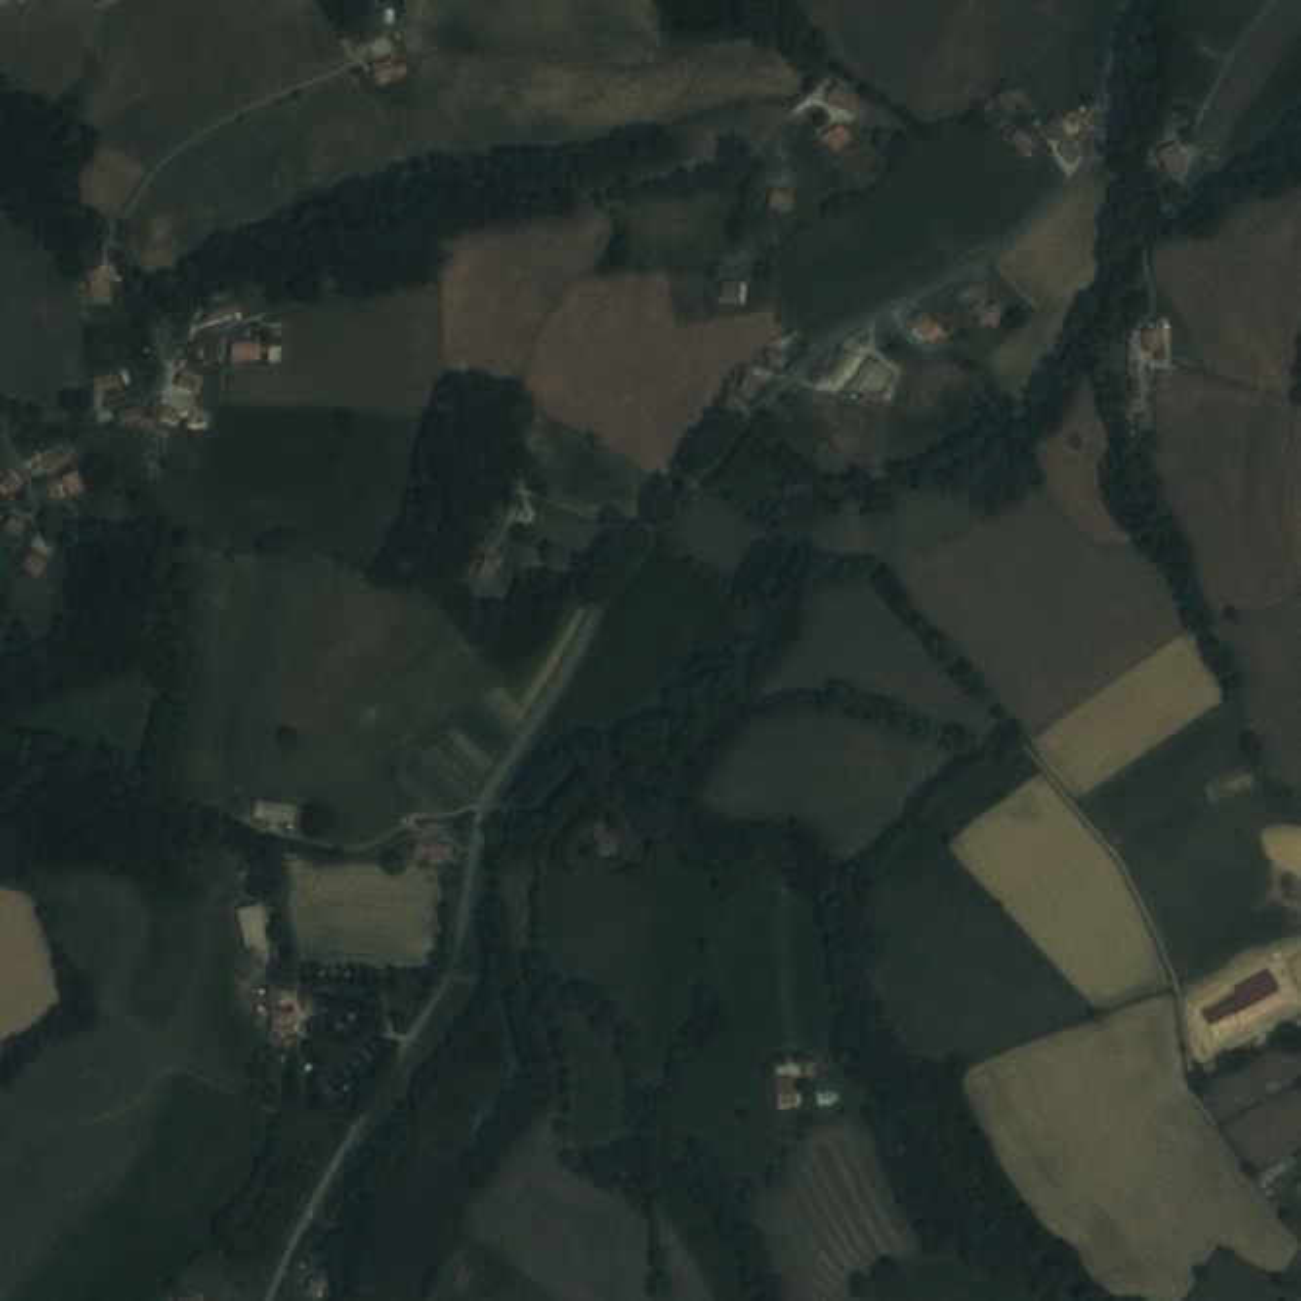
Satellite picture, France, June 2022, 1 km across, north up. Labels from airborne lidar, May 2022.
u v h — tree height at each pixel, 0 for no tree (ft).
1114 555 0
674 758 83
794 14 106
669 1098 76
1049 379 68
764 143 0
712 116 0
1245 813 0
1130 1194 0
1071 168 0
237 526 0
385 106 0
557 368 0
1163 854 0
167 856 75
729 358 0
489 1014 23
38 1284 0
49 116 61
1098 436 0
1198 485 0
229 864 0
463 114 0
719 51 0
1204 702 0
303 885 0
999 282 0
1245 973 0
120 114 0
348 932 0
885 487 28
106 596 41
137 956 0
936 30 0
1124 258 70
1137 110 99
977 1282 0
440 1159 0
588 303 0
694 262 0
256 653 0
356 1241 61
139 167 0
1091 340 84
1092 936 0
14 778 58
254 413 0
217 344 0
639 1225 0
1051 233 0
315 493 0
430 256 80
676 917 0
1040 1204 0
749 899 0
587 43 0
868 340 0
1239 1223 0
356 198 76
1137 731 0
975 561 0
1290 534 0
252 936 0
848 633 0
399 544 67
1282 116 0
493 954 69
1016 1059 0
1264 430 0
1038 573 0
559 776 91
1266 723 0
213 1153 0
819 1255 0
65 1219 0
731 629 0
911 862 0
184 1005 0
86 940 0
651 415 0
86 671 50
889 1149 51
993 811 0
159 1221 0
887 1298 0
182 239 0
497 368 0
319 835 47
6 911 0
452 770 0
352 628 0
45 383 0
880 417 0
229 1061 0
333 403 0
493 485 95
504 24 0
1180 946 0
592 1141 0
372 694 0
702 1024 40
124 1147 0
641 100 0
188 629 52
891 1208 0
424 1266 0
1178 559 45
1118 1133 0
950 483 59
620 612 0
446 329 0
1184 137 36
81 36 0
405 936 0
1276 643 0
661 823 91
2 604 38
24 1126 0
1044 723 0
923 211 0
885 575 82
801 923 0
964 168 0
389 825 0
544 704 0
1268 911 0
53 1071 0
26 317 0
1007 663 0
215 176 0
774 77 0
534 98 0
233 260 101
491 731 0
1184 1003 0
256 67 0
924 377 0
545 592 52
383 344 0
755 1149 0
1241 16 0
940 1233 78
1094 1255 0
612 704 0
